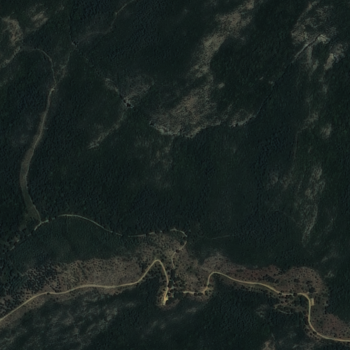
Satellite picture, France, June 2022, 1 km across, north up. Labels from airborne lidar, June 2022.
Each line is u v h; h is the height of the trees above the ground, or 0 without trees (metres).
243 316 14
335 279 7
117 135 5
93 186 6
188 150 8
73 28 11
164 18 11
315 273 0
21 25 9
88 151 8
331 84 6
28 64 10
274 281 12
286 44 9
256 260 7
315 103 6
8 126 5
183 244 9
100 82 5
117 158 13
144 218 11
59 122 8
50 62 7
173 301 13
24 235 8
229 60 13
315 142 9
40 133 0
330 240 6
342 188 8
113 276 0
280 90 7
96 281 0
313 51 7
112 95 8
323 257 6
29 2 9
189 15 6
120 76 7
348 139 15
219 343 7
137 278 0
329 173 7
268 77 8
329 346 12
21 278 10
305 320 10
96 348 15
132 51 11
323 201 7
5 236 13
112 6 10
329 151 10
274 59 17
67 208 8
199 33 6
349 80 16
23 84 14
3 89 9
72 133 14
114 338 6
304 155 9
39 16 0
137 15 9
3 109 19
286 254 12
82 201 12
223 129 11
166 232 11
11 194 10
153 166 6
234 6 6
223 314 9
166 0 13
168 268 11
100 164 11
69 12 8
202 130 9
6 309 8
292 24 9
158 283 12
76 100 13
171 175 8
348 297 8
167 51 11
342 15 7
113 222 14
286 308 13
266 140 6
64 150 15
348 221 8
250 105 6
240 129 6
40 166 14
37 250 7
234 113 6
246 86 6
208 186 9
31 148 0
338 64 17
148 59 9
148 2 13
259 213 12
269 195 10
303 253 5
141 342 7
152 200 18
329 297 6
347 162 19
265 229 13
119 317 6
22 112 12
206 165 8
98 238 8
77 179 8
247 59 13
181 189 5
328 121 6
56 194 15
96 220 10
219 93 8
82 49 7
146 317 6
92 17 15
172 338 7
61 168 11
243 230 9
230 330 15
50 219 9
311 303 0
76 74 6
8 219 7
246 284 0
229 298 7
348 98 8
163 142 10
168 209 15
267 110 16
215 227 7
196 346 7
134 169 9
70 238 6
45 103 8
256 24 6
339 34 7
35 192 17
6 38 7
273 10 10
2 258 9
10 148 9
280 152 8
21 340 7
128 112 8
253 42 9
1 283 14
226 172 6
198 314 6
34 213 0
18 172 6
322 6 9
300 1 9
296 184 7
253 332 8
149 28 14
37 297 0
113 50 9
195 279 0
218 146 9
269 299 11
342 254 6
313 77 8
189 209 6
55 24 10
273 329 6
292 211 10
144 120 14
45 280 8
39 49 10
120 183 7
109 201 12
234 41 7
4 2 6
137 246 6
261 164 15
